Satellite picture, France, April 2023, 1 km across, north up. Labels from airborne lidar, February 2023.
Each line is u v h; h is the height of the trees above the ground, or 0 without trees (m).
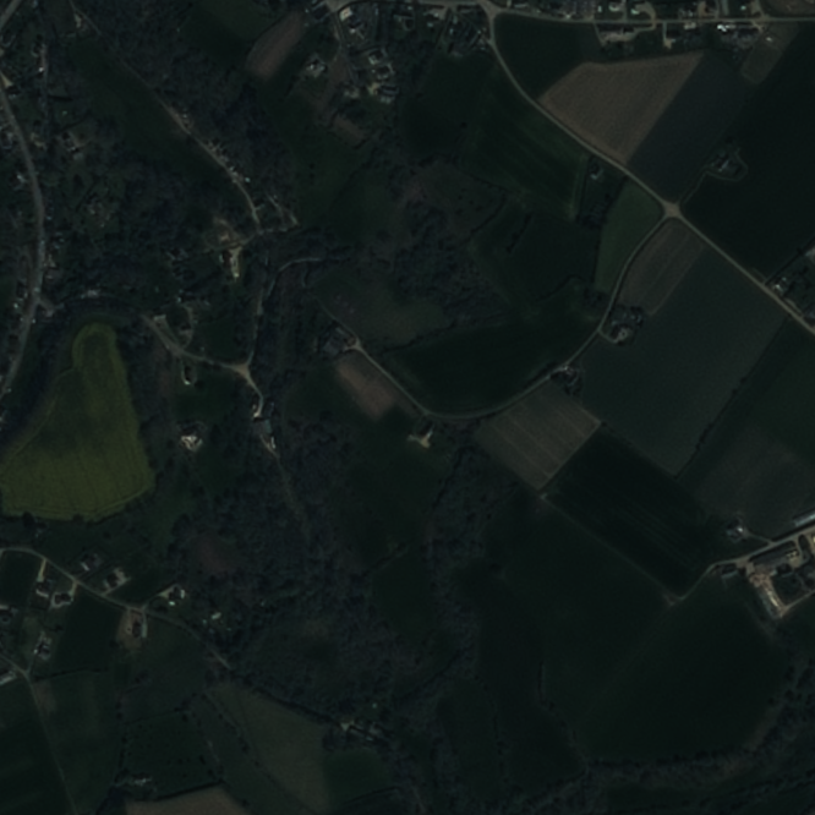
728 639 0
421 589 0
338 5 0
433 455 0
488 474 0
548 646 0
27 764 0
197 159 0
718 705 0
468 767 0
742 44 0
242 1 0
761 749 10
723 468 0
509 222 0
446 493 7
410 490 0
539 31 0
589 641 0
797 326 0
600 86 0
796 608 0
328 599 6
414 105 0
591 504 0
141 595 0
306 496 22
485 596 0
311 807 0
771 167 0
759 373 0
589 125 0
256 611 7
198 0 0
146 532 0
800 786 5
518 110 0
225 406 0
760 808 0
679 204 0
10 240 8
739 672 0
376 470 0
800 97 0
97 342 0
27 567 0
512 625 0
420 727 9
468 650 13
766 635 0
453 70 0
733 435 0
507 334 0
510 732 0
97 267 21
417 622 0
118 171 21
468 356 0
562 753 0
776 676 0
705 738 0
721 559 0
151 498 15
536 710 0
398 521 0
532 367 0
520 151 0
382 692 14
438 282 13
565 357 0
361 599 15
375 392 0
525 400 0
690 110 0
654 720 0
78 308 17
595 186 0
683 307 0
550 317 0
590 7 0
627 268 0
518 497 0
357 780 0
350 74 0
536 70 0
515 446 0
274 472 18
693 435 0
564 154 0
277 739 0
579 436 0
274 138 16
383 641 12
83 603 0
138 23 11
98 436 0
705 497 0
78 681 0
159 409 18
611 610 0
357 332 0
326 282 0
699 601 0
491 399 0
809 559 8
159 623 0
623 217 0
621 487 0
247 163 12
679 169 0
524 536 0
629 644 0
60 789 0
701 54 0
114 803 10
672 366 0
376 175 0
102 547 0
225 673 8
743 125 0
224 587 10
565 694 0
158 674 0
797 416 0
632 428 0
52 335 9
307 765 0
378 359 0
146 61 16
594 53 0
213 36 0
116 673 0
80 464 0
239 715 0
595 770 13
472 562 0
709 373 0
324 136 0
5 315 8
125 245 10
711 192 0
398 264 6
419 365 0
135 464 0
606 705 0
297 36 0
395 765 11
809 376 0
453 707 0
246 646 18
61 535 0
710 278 0
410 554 0
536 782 0
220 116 12
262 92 0
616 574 0
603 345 0
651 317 0
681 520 0
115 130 18
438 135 0
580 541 0
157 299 0
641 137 0
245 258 9
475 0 0
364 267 0
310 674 9
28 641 0
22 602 0
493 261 0
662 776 14
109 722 0
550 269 0
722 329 0
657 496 0
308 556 13
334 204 0
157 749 0
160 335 0
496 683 0
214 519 14
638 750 0
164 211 19
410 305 0
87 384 0
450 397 0
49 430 0
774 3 0
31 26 8
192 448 0
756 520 0
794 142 0
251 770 0
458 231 0
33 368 0
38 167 11
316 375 0
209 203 25
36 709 0
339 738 17
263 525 16
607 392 0
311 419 0
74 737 0
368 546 0
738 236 0
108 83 0
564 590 0
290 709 7
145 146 0
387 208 0
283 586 13
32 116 0
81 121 22
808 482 0
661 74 0
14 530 0
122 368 0
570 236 0
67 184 14
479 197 0
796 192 0
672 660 0
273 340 19
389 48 12
